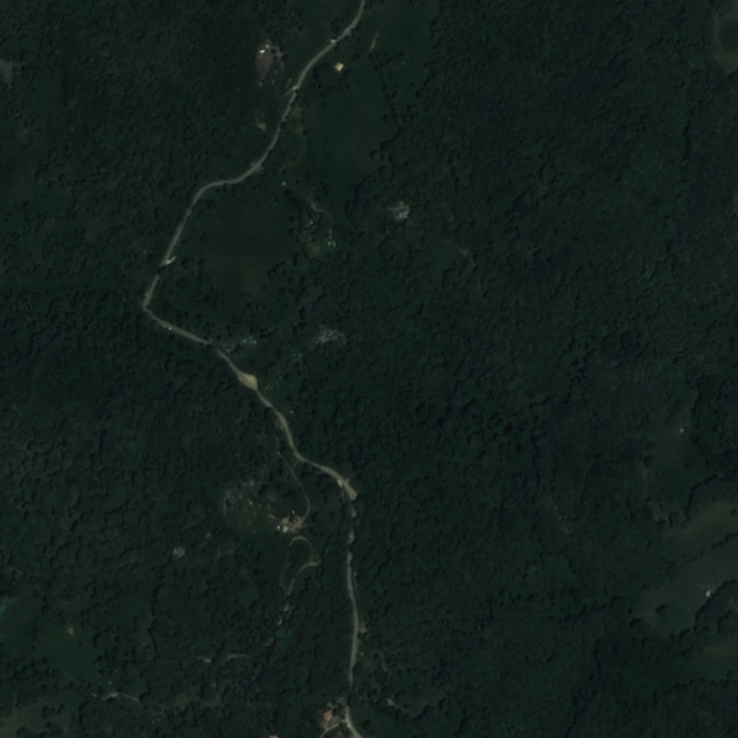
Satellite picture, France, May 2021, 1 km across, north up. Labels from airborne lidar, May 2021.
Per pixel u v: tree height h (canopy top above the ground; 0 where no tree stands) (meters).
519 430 20
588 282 13
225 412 11
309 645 13
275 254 0
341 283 8
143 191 12
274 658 17
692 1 9
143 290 7
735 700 14
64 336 12
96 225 14
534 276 19
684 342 9
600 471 16
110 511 9
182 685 13
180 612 13
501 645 11
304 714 9
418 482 11
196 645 14
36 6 8
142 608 0
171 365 15
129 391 15
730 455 16
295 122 0
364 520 12
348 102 0
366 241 15
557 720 15
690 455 0
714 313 8
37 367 14
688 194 13
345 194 0
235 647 14
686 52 16
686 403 15
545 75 13
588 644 13
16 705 9
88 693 11
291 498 7
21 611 0
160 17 7
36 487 12
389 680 14
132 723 15
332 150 0
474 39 11
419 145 10
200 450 8
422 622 9
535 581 12
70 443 14
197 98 9
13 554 11
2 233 7
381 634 9
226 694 9
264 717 12
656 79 15
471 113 9
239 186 11
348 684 15
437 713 16
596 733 10
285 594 10
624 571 15
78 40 6
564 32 11
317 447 13
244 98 6
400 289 7
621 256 5
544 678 13
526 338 13
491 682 12
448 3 8
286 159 8
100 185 13
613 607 12
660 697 16
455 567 14
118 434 11
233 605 9
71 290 18
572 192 11
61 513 14
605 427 16
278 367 14
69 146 8
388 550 9
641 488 15
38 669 15
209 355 10
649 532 14
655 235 19
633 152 13
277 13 7
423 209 11
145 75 7
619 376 13
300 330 18
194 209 6
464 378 18
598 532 8
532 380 9
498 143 10
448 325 6
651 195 17
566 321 14
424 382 11
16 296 11
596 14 17
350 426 11
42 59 9
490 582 10
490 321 7
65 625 8
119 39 15
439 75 13
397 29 0
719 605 16
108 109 8
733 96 9
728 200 7
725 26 0
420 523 12
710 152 11
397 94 8
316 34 0
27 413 9
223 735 10
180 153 13
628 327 16
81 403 11
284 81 0
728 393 11
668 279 16
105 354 16
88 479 11
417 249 10
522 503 13
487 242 20
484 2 11
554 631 16
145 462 9
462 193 16
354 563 7
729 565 0
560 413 17
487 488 9
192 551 12
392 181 9
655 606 0
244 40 6
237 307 0
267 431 7
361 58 11
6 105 7
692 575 0
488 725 9
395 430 7
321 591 14
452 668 18
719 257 13
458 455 8
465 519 11
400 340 13
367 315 9
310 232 8
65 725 0
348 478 0
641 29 15
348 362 14
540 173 9
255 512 0
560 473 13
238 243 0
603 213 19
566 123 10
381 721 0
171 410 13
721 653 0
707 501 10
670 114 14
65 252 5
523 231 17
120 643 13
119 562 11
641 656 10
